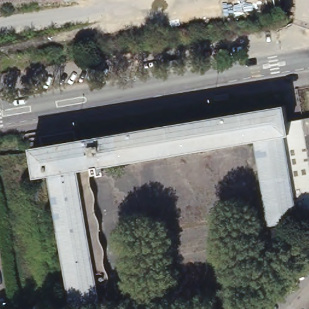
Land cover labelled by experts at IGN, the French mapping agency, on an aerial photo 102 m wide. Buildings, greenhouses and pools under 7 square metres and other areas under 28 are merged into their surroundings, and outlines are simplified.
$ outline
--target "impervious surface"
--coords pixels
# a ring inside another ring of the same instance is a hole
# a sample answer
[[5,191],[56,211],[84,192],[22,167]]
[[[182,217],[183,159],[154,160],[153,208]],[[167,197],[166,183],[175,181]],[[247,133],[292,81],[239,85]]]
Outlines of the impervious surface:
[[145,70],[153,66],[159,69],[161,65],[169,66],[170,60],[185,60],[190,54],[196,54],[199,60],[209,63],[210,56],[215,58],[217,52],[222,49],[231,54],[238,52],[239,49],[246,49],[250,57],[247,65],[235,62],[227,70],[209,69],[203,75],[185,71],[183,75],[168,75],[167,80],[154,76],[151,80],[147,78],[146,81],[133,76],[127,77],[126,87],[118,86],[118,80],[107,80],[103,88],[91,91],[89,84],[80,76],[81,68],[74,62],[56,63],[47,69],[41,63],[30,64],[27,70],[7,68],[0,71],[0,138],[17,136],[18,141],[29,142],[30,150],[275,107],[281,107],[284,121],[291,124],[297,119],[293,86],[309,84],[309,0],[293,0],[291,11],[295,18],[292,24],[287,25],[279,31],[264,28],[261,33],[250,34],[249,37],[240,36],[235,41],[199,40],[175,49],[165,48],[162,52],[132,52],[119,48],[118,40],[107,41],[106,46],[97,48],[100,63],[88,65],[88,69],[105,71],[110,68],[115,71],[116,76],[126,71],[134,60],[144,64]]
[[0,18],[0,29],[14,29],[16,33],[29,28],[40,30],[49,25],[60,27],[65,23],[86,22],[81,16],[82,8],[78,5],[40,11]]
[[148,220],[161,222],[165,234],[171,240],[169,249],[162,252],[162,256],[171,261],[169,273],[176,281],[176,285],[165,288],[162,297],[151,299],[152,303],[161,305],[163,309],[173,309],[171,304],[174,302],[185,303],[194,297],[197,297],[200,303],[209,299],[214,303],[212,309],[223,309],[222,298],[216,295],[222,285],[216,279],[214,267],[206,261],[204,255],[205,243],[208,241],[206,235],[210,231],[211,209],[217,200],[225,203],[227,198],[237,196],[238,193],[255,199],[262,197],[252,144],[101,168],[101,177],[91,177],[89,183],[94,194],[94,212],[99,223],[99,240],[103,246],[107,280],[94,284],[97,301],[86,307],[87,304],[84,302],[68,302],[66,299],[68,292],[64,287],[60,267],[46,181],[33,197],[19,191],[23,170],[28,168],[25,152],[0,151],[0,175],[4,181],[8,206],[18,214],[11,221],[11,225],[18,273],[21,280],[25,280],[25,287],[16,290],[13,297],[7,297],[0,264],[0,309],[111,309],[118,307],[129,296],[129,293],[119,290],[118,272],[113,263],[113,257],[124,256],[124,249],[110,235],[113,227],[123,226],[126,216],[132,221],[140,218],[147,223]]
[[292,295],[286,293],[285,302],[279,304],[278,309],[309,309],[309,275],[299,278],[298,291]]

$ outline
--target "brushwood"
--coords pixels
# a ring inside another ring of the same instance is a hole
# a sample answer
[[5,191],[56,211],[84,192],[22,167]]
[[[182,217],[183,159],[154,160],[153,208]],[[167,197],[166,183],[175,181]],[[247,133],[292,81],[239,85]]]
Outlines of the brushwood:
[[25,280],[21,280],[18,273],[11,225],[11,221],[18,214],[8,206],[4,181],[0,175],[0,264],[7,297],[13,297],[16,290],[25,287]]
[[23,170],[19,191],[33,197],[46,181],[31,180],[28,168]]
[[39,46],[29,46],[8,49],[7,52],[0,51],[0,60],[10,57],[11,54],[29,54],[30,64],[41,63],[47,69],[56,63],[74,62],[71,47],[48,48],[41,51]]
[[14,29],[0,29],[0,47],[12,45],[16,41],[34,40],[45,36],[40,30],[29,28],[16,33]]
[[29,142],[18,141],[17,136],[0,138],[0,151],[25,152],[30,150]]
[[0,18],[40,11],[37,2],[13,6],[7,2],[0,6]]

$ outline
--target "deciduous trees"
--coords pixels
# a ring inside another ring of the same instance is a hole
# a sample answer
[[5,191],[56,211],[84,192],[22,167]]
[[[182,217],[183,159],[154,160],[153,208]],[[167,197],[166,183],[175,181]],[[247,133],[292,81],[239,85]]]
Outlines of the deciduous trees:
[[118,86],[126,87],[127,77],[133,76],[146,81],[147,78],[151,80],[154,76],[167,80],[168,75],[183,75],[185,71],[203,75],[209,69],[227,70],[235,62],[247,65],[250,57],[246,49],[239,49],[238,52],[231,54],[222,49],[217,52],[215,58],[210,56],[209,63],[199,60],[196,54],[190,54],[185,60],[170,60],[169,66],[161,65],[159,69],[153,66],[145,70],[144,64],[134,60],[126,71],[116,76],[115,71],[110,68],[105,71],[88,69],[88,65],[100,63],[97,48],[106,46],[107,41],[118,40],[119,48],[132,52],[162,52],[165,48],[175,49],[199,40],[235,41],[240,36],[249,37],[250,34],[261,33],[264,28],[279,31],[287,25],[285,13],[280,7],[275,7],[272,12],[263,14],[253,24],[244,21],[209,25],[208,28],[199,28],[196,25],[191,29],[169,30],[167,14],[156,13],[152,17],[147,17],[140,27],[129,27],[116,33],[103,33],[98,29],[92,29],[77,33],[71,40],[75,47],[71,47],[74,62],[81,68],[80,76],[89,84],[91,91],[103,88],[107,80],[118,80]]
[[111,309],[163,309],[161,305],[152,303],[151,299],[162,297],[165,288],[176,285],[176,281],[169,273],[171,261],[162,256],[162,252],[169,249],[171,240],[165,234],[161,222],[148,220],[147,223],[140,218],[132,221],[126,216],[123,226],[113,227],[110,235],[124,249],[124,256],[113,257],[113,263],[118,272],[119,290],[129,293],[129,296],[118,307]]
[[171,304],[173,309],[212,309],[214,303],[209,299],[200,303],[197,297],[194,297],[185,303],[174,302]]
[[285,302],[286,293],[292,295],[298,291],[299,278],[309,275],[309,210],[307,206],[293,204],[275,226],[269,227],[264,216],[262,197],[255,199],[238,193],[237,196],[227,198],[225,203],[217,200],[211,209],[210,231],[206,235],[208,241],[205,243],[204,255],[206,261],[214,267],[216,279],[222,285],[216,295],[222,298],[223,309],[278,309],[279,304]]

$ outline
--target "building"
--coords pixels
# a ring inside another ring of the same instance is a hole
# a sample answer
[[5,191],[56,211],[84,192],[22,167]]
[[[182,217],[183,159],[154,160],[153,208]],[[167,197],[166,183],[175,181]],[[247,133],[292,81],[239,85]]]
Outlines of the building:
[[94,212],[94,194],[89,183],[91,177],[101,177],[101,168],[252,144],[262,197],[264,216],[269,227],[275,226],[293,204],[307,206],[309,210],[309,118],[297,119],[291,124],[284,121],[281,107],[275,107],[30,150],[25,152],[28,168],[31,180],[46,181],[60,267],[64,287],[68,292],[66,299],[68,302],[84,302],[87,304],[86,307],[97,301],[94,284],[107,280],[103,246],[99,240],[99,223]]

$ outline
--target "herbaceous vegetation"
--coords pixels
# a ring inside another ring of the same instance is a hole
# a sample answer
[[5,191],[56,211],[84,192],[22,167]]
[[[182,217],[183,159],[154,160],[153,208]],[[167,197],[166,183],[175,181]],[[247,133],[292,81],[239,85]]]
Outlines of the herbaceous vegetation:
[[30,64],[29,54],[11,54],[10,57],[0,60],[0,71],[7,68],[27,70]]
[[309,118],[309,84],[293,86],[297,119]]
[[86,22],[65,23],[60,27],[49,25],[40,30],[45,36],[57,35],[71,29],[76,29],[77,33],[92,29]]

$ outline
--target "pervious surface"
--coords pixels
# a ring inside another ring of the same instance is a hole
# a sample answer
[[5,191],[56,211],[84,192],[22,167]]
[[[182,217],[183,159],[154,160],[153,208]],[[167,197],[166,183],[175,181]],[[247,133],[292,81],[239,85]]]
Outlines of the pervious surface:
[[71,29],[57,35],[45,36],[34,40],[16,41],[12,45],[0,47],[0,51],[7,52],[8,49],[29,46],[39,46],[41,51],[48,48],[71,47],[75,47],[71,40],[77,33],[76,29]]
[[92,29],[98,29],[103,33],[116,33],[129,27],[140,27],[147,17],[152,17],[156,13],[167,14],[169,30],[191,29],[196,25],[199,28],[208,28],[209,25],[244,21],[253,24],[263,14],[272,12],[275,7],[280,7],[285,13],[287,25],[292,24],[295,18],[291,11],[293,0],[0,0],[0,6],[7,2],[13,6],[37,2],[40,11],[78,5],[82,8],[81,16],[86,22]]

